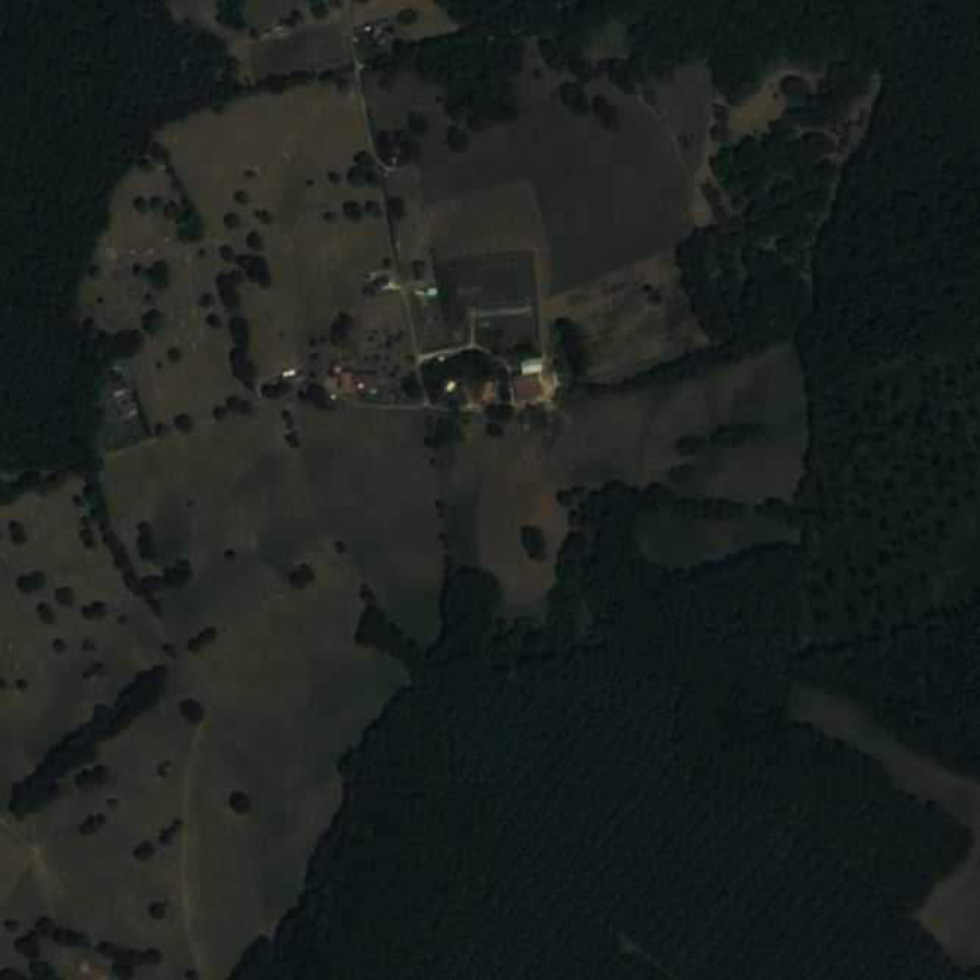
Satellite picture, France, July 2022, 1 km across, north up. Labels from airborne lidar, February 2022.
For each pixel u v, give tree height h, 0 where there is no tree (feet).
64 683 0
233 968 0
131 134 51
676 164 0
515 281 0
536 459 0
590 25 46
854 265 66
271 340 0
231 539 0
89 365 63
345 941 69
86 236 49
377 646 44
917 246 65
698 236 37
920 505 0
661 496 65
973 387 0
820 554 0
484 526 0
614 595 58
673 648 59
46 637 0
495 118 28
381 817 47
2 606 0
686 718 63
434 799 59
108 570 0
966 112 61
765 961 50
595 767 36
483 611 56
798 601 67
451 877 38
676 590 71
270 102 0
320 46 0
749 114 0
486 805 57
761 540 0
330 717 0
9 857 0
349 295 0
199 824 0
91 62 50
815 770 66
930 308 56
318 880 68
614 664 65
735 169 49
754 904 48
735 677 39
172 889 0
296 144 0
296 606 0
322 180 0
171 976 0
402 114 0
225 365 0
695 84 0
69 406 42
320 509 0
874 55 54
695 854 38
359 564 0
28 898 0
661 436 0
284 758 0
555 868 39
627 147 0
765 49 46
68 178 52
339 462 0
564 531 0
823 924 45
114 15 45
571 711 46
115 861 0
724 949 46
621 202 0
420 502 0
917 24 50
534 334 0
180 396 0
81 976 0
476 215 0
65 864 0
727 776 65
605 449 0
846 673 63
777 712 44
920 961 56
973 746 54
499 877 33
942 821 54
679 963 42
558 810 43
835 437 60
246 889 0
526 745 53
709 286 47
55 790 53
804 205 51
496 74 33
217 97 48
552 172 0
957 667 84
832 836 48
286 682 0
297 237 0
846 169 40
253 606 0
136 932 0
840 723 0
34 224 49
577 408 0
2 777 0
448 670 66
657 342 0
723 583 84
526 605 0
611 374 0
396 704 40
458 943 24
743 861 48
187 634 0
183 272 0
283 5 0
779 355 0
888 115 62
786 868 54
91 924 0
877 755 0
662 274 0
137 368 0
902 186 57
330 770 0
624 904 35
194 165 0
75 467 49
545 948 28
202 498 0
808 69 0
